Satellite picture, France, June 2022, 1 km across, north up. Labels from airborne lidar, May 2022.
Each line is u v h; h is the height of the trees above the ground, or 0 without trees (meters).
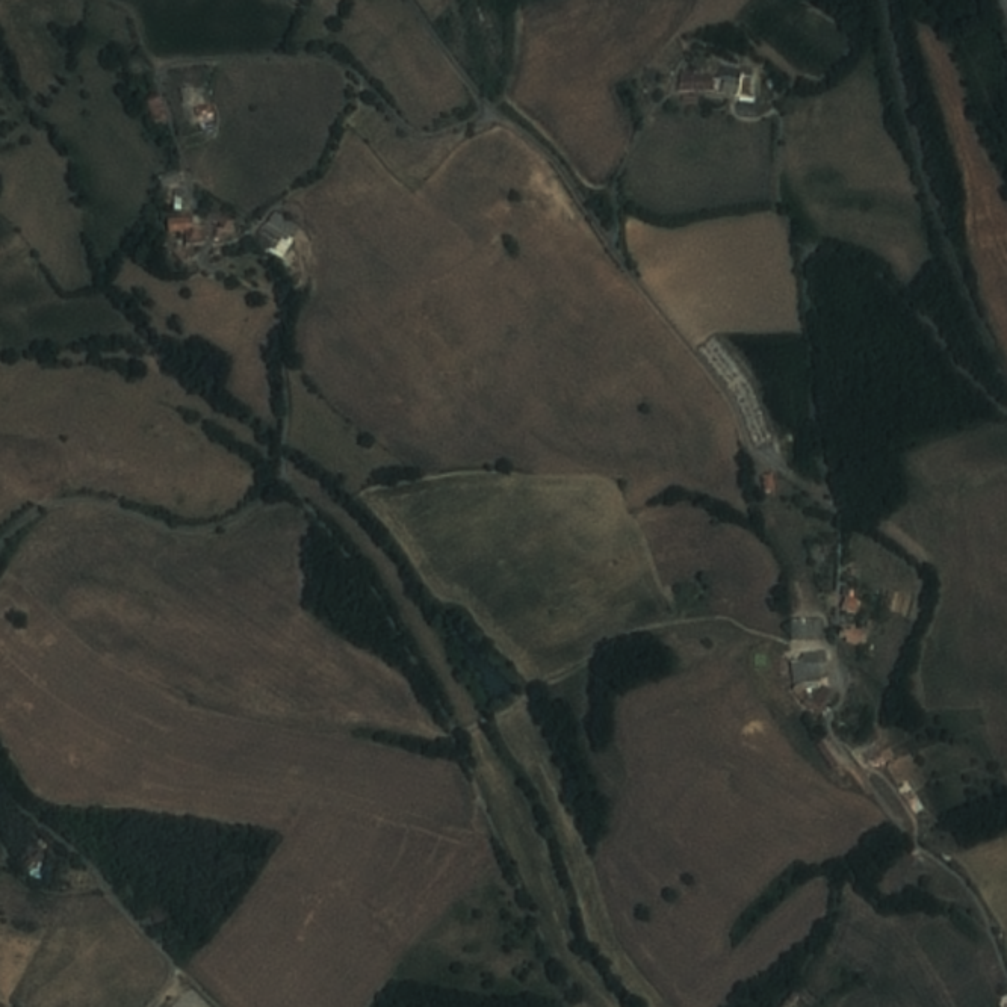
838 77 14
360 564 18
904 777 0
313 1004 0
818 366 15
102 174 0
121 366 15
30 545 0
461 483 0
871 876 16
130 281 0
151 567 0
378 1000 11
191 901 18
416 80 0
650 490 0
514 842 0
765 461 0
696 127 0
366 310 0
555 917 0
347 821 0
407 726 0
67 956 0
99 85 0
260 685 0
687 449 0
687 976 0
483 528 0
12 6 0
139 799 0
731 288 0
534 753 0
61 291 11
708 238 0
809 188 0
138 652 0
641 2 0
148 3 0
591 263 0
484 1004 21
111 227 0
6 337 0
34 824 12
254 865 18
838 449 19
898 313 13
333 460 0
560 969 20
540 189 0
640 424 0
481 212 0
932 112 20
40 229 0
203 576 0
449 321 0
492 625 0
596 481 0
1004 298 0
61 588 0
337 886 0
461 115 9
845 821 0
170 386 0
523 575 0
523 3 18
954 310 17
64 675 0
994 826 20
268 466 11
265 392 0
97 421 0
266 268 7
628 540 0
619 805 0
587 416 0
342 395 0
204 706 0
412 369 0
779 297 0
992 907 0
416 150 0
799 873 9
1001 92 6
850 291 7
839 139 0
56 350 16
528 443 0
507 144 0
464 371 0
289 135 0
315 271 0
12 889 0
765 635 0
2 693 0
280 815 0
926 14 8
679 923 0
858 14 10
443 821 0
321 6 0
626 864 0
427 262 0
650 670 23
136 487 0
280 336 17
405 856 0
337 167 0
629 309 0
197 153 0
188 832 18
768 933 0
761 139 0
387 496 0
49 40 0
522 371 0
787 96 5
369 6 0
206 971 0
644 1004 19
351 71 7
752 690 0
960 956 0
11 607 0
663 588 0
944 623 0
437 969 0
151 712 0
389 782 0
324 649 0
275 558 0
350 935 0
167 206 6
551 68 0
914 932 0
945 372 9
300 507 8
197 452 0
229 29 0
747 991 15
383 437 0
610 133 0
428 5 0
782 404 11
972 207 0
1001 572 0
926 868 0
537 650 0
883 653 0
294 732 0
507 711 0
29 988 0
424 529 0
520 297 0
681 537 0
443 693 12
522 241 0
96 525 0
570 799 17
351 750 0
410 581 21
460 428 0
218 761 0
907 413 15
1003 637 0
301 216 0
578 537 0
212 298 0
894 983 0
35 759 0
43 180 0
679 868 0
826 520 12
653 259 0
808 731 7
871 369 17
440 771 0
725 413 0
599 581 0
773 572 0
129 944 0
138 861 18
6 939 0
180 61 0
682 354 0
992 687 0
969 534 0
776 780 0
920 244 0
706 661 0
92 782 0
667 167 0
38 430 0
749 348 11
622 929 0
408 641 13
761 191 0
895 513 15
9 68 16
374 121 0
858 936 0
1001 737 0
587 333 0
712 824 0
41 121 16
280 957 0
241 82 0
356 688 0
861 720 6
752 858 0
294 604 0
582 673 0
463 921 0
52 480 0
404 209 0
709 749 0
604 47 0
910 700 19
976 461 0
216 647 0
